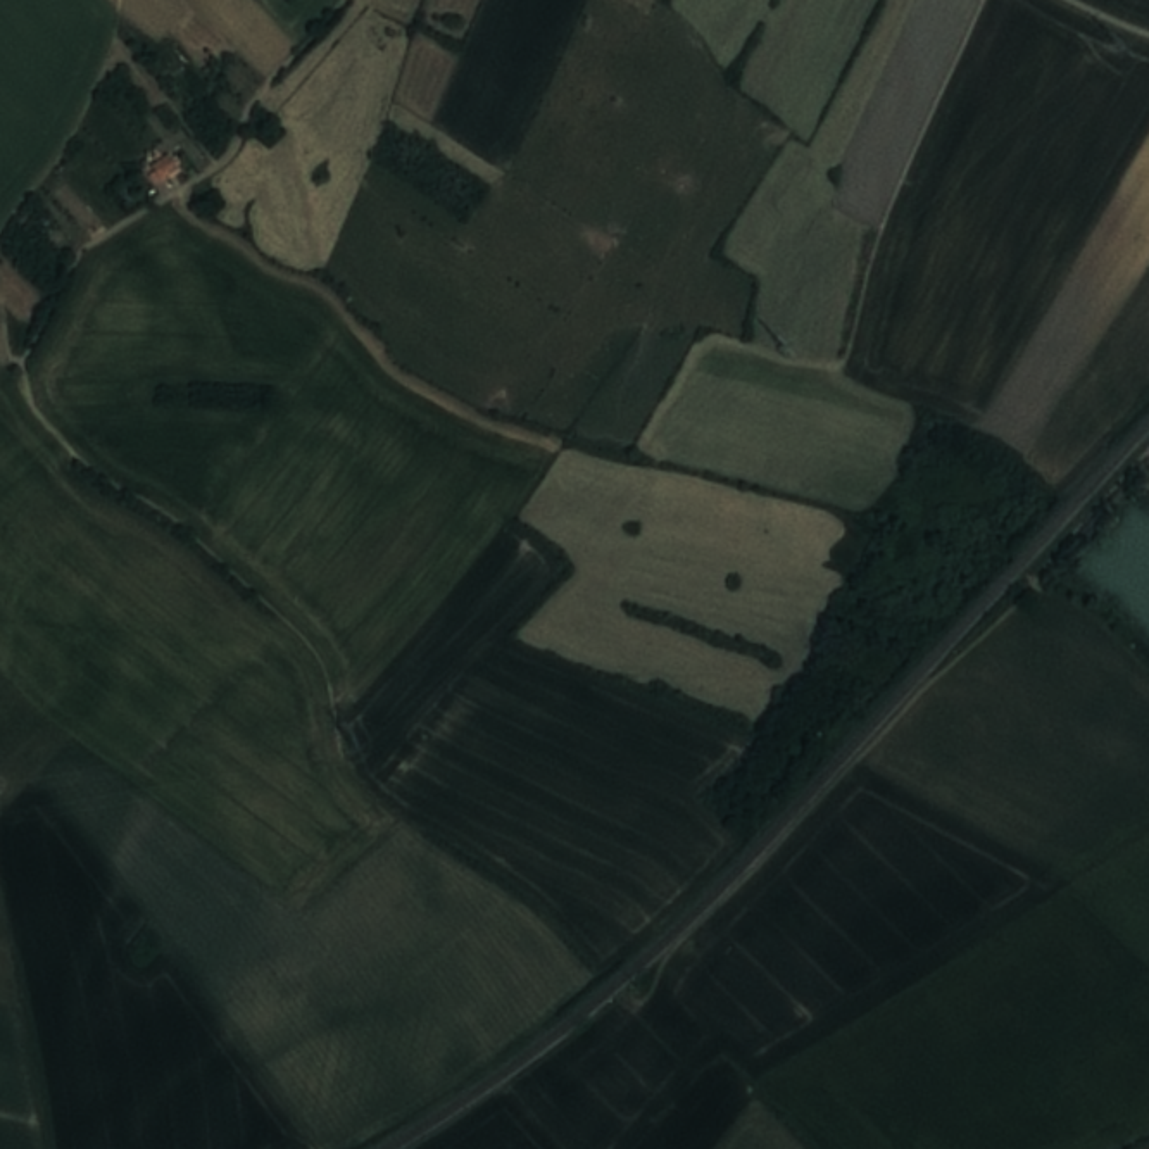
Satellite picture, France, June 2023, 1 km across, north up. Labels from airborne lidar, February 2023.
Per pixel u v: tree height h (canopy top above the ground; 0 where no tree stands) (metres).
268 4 0
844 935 0
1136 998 0
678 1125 0
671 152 0
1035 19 0
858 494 0
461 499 0
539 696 0
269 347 0
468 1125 0
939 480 7
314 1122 0
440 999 0
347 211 0
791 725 21
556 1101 0
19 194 0
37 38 0
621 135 0
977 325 0
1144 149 0
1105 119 0
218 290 0
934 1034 0
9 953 0
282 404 0
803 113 0
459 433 0
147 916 0
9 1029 0
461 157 0
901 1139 0
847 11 0
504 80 0
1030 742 0
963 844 0
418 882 0
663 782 0
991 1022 0
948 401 0
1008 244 0
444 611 0
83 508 0
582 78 0
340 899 0
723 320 0
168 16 0
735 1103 0
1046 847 0
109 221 0
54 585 0
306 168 0
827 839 0
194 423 0
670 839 0
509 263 0
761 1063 0
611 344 0
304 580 0
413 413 0
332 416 0
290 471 0
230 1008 0
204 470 0
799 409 0
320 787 0
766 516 0
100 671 0
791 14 0
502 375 0
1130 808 0
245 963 0
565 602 0
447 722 0
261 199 0
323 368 0
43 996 0
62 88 0
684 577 0
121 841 0
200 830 0
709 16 0
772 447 0
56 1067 0
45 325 8
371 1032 0
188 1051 0
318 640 0
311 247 0
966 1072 0
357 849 0
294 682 0
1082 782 0
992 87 0
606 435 0
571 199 0
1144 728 0
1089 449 0
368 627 0
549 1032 0
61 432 0
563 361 0
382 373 0
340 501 0
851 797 0
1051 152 0
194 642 0
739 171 0
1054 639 0
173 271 0
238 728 0
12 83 0
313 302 0
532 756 0
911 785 0
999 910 0
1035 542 0
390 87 0
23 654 0
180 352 0
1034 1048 0
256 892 0
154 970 0
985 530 11
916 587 14
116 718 0
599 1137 0
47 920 0
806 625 0
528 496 0
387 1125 0
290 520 0
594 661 0
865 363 0
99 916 0
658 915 0
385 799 0
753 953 0
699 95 0
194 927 0
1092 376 0
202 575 0
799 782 16
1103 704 0
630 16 0
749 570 0
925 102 0
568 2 0
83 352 0
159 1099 0
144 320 0
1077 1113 0
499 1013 0
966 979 0
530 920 0
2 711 0
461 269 0
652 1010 0
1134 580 0
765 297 0
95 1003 0
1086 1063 0
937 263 0
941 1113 0
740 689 0
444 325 0
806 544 0
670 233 0
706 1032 0
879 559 16
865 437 0
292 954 0
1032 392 0
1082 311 0
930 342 0
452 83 0
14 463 0
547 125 0
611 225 0
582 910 0
